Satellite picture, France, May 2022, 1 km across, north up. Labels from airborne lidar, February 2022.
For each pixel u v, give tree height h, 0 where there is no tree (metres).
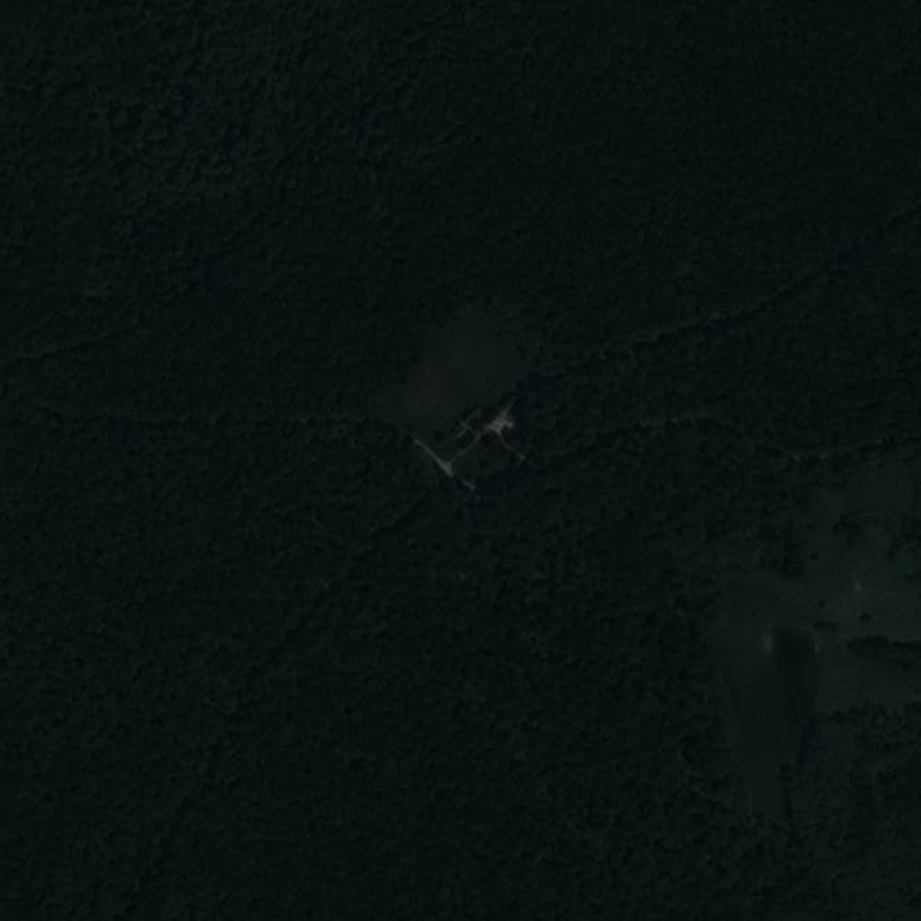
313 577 30
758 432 24
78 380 32
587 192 32
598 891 31
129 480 32
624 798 35
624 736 37
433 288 31
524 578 25
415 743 33
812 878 15
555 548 32
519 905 34
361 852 34
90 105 34
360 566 27
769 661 0
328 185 29
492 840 32
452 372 0
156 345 30
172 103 38
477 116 32
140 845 29
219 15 34
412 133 31
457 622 33
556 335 31
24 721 32
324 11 27
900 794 32
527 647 26
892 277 32
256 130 28
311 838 34
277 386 28
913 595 0
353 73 25
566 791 35
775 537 13
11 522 31
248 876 32
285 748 32
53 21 33
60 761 32
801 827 23
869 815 29
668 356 25
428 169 28
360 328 31
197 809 30
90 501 31
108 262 30
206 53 32
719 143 29
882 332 31
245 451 32
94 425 30
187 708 32
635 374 25
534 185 32
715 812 25
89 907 32
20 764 32
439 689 37
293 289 31
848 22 30
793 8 29
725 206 27
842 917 23
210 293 30
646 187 25
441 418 0
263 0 32
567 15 30
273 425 30
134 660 32
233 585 34
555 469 30
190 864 30
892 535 0
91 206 34
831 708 0
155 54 34
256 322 32
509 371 0
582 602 31
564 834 33
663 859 34
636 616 32
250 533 33
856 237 28
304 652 31
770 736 0
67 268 31
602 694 34
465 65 31
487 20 29
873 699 0
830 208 29
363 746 34
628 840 31
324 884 32
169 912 32
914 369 31
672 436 29
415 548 30
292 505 32
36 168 33
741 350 29
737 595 0
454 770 33
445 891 24
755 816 8
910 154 28
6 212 34
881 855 23
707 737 28
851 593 0
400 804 35
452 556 31
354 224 30
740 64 31
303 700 32
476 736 33
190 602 33
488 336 0
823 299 27
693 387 28
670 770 36
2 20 32
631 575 35
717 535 29
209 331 30
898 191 28
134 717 30
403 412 0
